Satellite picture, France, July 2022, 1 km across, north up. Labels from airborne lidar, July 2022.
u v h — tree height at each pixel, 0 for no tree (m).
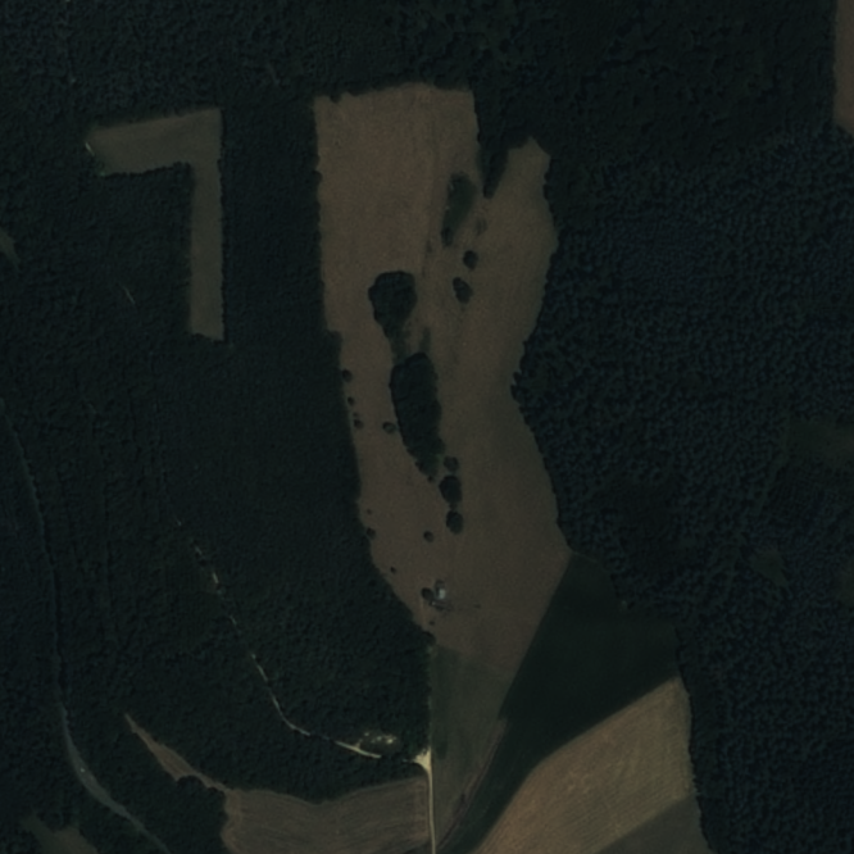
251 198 14
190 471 11
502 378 0
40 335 21
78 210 14
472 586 0
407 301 21
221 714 19
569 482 34
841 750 24
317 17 12
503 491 0
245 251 16
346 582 16
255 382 14
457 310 0
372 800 0
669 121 27
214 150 0
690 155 28
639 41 17
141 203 17
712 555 30
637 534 15
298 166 18
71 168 16
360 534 13
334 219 0
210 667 18
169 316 12
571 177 17
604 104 27
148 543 18
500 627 0
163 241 15
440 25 26
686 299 21
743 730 9
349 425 13
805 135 30
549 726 0
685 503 30
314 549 12
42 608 20
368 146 0
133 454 16
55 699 14
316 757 13
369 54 10
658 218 16
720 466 30
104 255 14
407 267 0
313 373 16
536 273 0
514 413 0
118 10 15
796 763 18
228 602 15
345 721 14
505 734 0
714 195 29
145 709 21
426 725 13
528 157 0
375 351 0
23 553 21
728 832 24
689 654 18
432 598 10
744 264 28
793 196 26
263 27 20
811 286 28
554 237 0
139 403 15
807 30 35
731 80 26
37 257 14
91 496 18
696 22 28
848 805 18
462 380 0
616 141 16
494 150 22
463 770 0
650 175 17
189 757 16
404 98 0
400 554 0
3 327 20
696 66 28
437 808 0
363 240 0
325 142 0
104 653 14
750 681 27
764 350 30
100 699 21
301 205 15
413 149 0
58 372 16
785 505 10
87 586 13
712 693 19
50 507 21
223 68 16
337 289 0
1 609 23
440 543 0
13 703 18
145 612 20
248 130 14
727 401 30
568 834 0
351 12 11
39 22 8
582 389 25
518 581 0
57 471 9
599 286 24
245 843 0
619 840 0
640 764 0
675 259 22
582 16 6
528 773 0
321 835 0
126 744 22
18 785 22
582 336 19
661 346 27
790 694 34
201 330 0
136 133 0
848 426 13
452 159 0
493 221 0
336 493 16
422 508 0
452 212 0
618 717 0
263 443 11
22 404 14
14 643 21
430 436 27
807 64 19
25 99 15
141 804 20
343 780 9
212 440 12
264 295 17
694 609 33
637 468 30
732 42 28
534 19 26
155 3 22
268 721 14
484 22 25
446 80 24
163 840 19
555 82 21
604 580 0
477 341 0
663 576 13
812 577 23
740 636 26
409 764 9
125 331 12
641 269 25
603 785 0
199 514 13
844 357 33
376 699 17
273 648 10
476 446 0
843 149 34
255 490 11
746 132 28
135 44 17
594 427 15
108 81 21
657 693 0
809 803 18
